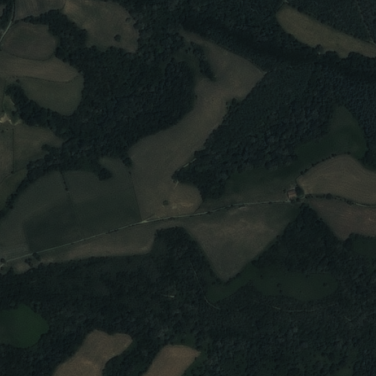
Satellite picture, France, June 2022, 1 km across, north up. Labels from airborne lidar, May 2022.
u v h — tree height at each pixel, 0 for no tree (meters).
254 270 0
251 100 13
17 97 22
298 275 0
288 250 10
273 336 10
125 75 14
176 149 0
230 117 10
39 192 0
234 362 7
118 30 0
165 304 12
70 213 0
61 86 0
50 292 7
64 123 26
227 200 0
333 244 21
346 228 0
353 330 6
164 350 0
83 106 16
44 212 0
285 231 8
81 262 8
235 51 7
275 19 17
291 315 11
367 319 18
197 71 0
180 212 0
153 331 22
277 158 23
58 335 12
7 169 0
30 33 0
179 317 14
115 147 9
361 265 12
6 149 0
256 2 18
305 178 0
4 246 0
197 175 9
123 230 0
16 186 0
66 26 19
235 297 7
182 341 8
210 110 0
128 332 11
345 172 0
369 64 25
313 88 13
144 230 0
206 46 0
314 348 7
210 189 14
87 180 0
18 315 0
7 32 0
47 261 0
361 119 9
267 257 9
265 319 14
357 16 7
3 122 0
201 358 0
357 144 0
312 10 7
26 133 0
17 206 0
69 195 0
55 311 11
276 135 21
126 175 0
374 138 22
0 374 11
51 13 15
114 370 6
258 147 13
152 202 0
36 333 0
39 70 0
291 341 17
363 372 10
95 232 0
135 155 0
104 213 0
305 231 20
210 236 0
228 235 0
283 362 9
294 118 12
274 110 19
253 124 17
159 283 9
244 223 0
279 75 15
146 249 0
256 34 16
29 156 0
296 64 16
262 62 15
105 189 0
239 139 22
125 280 10
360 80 23
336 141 0
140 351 15
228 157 22
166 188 0
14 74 0
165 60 21
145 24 8
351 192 0
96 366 0
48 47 0
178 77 12
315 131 20
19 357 15
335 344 15
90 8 0
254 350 6
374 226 0
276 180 0
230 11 17
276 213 0
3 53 0
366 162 7
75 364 0
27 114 18
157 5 20
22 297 15
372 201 0
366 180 0
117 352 0
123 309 13
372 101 16
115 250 0
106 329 11
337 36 0
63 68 0
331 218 0
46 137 0
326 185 0
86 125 21
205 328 15
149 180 0
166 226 0
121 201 0
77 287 8
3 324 0
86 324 8
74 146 26
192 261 8
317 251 8
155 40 16
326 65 23
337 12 11
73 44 12
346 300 9
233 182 0
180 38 8
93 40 0
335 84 18
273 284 0
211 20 23
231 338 19
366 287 7
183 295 12
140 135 7
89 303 13
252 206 0
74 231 0
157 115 15
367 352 10
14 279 11
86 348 0
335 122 0
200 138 0
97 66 13
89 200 0
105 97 19
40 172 17
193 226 0
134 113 13
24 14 0
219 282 9
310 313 9
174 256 11
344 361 12
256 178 0
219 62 0
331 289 0
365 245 0
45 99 0
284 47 20
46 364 13
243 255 0
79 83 0
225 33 22
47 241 0
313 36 0
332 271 10
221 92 0
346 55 0
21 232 0
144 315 15
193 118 0
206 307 7
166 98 9
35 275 8
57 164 7
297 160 15
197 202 0
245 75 0
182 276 13
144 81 16
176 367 0
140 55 11
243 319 7
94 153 13
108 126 18
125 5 14
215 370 13
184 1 20
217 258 0
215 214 0
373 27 16
